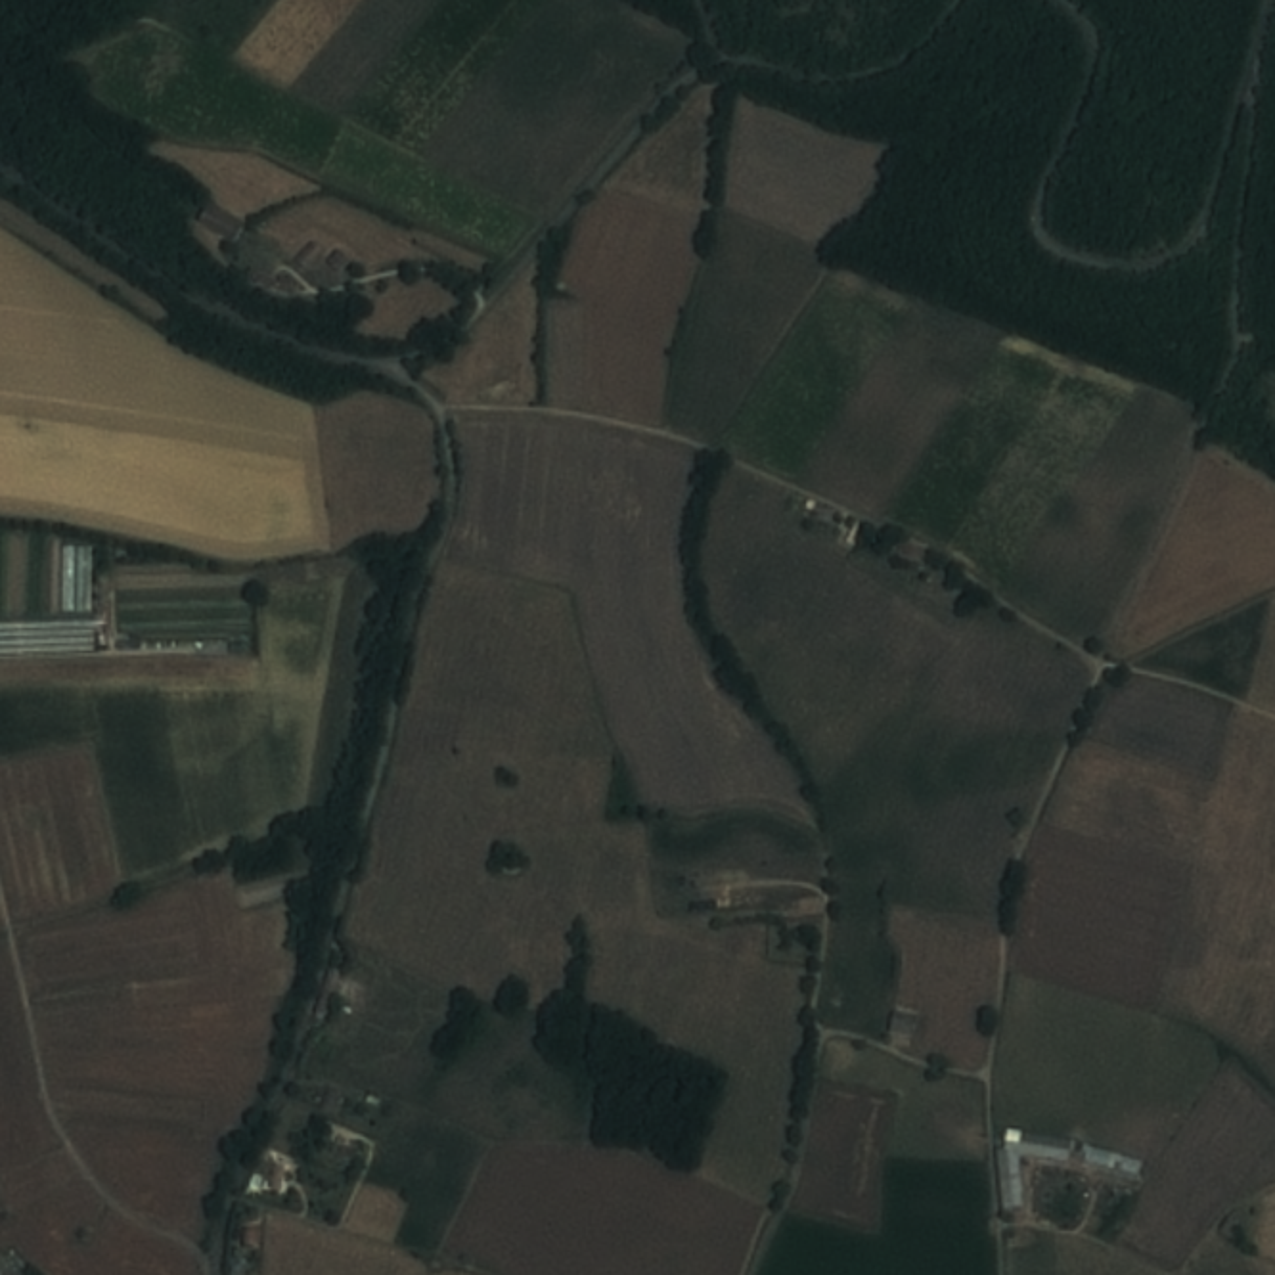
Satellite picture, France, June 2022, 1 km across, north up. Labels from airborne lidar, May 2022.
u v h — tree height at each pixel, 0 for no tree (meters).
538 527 0
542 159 0
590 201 8
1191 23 7
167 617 0
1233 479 0
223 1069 0
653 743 0
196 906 0
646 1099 18
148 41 0
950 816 0
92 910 0
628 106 0
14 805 0
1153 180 10
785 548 0
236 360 13
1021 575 0
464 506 0
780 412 0
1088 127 12
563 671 0
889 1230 0
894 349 0
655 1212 0
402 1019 0
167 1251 0
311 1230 0
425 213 0
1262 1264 0
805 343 0
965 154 11
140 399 0
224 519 0
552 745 0
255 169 0
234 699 0
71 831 0
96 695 0
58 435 0
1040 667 0
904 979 0
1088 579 0
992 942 0
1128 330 9
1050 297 7
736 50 14
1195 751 0
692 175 0
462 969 0
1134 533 0
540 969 0
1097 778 0
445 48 0
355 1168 9
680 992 0
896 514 0
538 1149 0
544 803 0
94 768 0
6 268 0
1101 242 8
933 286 11
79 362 0
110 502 0
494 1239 0
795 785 0
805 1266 0
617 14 0
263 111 0
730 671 15
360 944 0
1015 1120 0
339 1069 0
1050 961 0
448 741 0
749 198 0
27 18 12
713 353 0
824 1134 0
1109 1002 0
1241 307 8
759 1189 0
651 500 0
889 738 0
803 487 0
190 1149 0
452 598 0
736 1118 0
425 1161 0
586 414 0
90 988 0
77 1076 0
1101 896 0
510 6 0
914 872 0
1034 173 7
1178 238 9
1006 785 0
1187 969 0
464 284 12
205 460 0
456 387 0
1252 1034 0
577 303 0
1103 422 0
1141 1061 0
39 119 12
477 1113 0
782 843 0
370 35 0
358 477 0
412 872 0
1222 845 0
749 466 0
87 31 14
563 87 0
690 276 0
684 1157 20
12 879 0
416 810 0
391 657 16
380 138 0
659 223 0
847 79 7
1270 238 13
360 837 7
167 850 0
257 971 0
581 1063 12
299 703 0
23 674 0
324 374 11
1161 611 0
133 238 13
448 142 0
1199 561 0
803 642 0
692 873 0
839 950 0
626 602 0
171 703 0
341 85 0
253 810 0
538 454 0
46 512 0
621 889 0
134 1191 0
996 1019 13
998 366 0
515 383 0
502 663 0
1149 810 0
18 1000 0
